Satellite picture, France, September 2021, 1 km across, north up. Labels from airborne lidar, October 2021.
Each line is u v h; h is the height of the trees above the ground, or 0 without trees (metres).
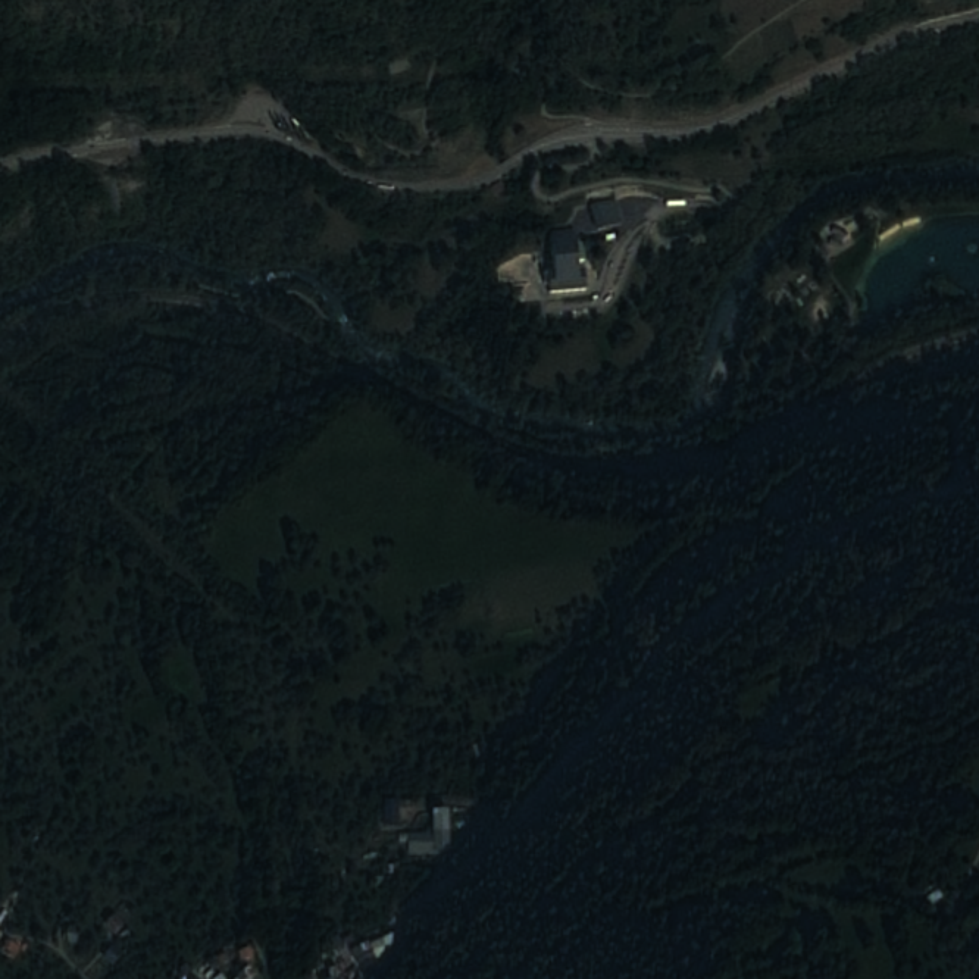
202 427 23
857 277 0
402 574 0
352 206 23
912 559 25
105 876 10
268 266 8
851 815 18
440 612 10
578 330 13
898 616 22
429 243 0
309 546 9
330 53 12
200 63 17
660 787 24
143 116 15
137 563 16
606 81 18
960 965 9
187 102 7
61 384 8
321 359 20
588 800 26
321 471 0
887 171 15
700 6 6
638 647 25
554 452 16
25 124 26
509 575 0
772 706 0
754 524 15
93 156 0
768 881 12
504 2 22
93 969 0
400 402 16
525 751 15
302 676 17
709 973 22
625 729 25
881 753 22
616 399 19
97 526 11
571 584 0
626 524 15
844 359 17
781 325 25
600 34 14
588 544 0
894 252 0
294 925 13
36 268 14
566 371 0
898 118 24
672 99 12
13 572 28
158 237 8
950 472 10
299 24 14
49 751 9
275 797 12
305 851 7
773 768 22
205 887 8
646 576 23
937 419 22
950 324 18
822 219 24
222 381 20
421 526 0
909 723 17
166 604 8
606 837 19
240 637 10
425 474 0
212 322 17
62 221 17
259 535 0
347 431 0
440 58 10
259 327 24
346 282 16
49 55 15
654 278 19
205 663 16
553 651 8
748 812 20
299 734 0
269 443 32
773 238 0
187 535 10
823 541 14
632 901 23
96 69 19
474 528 0
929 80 21
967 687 23
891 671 22
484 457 19
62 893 8
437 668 0
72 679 8
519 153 0
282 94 16
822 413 17
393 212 19
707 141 14
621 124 0
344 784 6
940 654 16
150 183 9
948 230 0
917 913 10
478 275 17
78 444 10
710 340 0
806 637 22
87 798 9
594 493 23
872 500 18
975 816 17
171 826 8
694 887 27
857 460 34
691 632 13
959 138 0
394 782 8
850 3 0
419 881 10
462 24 16
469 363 11
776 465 28
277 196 22
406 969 19
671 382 23
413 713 10
